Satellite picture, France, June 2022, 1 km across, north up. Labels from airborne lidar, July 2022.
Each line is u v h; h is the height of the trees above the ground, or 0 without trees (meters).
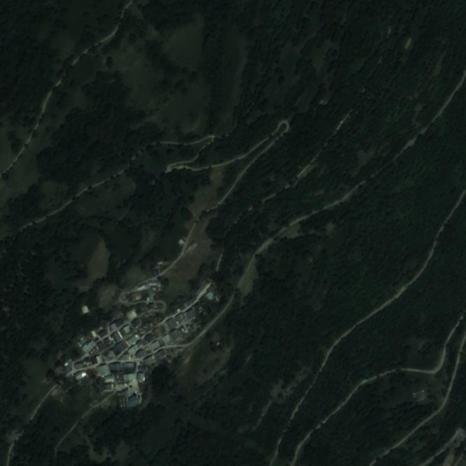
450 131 10
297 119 16
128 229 8
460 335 9
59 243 16
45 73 19
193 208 0
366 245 17
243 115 11
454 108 15
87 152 18
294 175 10
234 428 9
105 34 7
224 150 13
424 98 12
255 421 14
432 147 8
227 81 0
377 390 12
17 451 8
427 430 12
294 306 19
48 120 0
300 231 8
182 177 16
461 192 13
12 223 7
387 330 13
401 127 9
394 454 11
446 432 9
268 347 20
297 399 20
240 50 0
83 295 11
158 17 9
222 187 10
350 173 7
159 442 0
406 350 15
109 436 21
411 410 13
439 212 12
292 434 19
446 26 12
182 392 0
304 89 16
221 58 9
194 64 0
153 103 0
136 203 16
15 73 7
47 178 7
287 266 0
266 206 13
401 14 12
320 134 14
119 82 7
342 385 16
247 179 12
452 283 14
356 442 14
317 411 19
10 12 16
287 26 17
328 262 12
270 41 14
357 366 10
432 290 16
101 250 0
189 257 0
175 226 20
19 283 23
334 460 17
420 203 13
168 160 0
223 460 18
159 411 16
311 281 12
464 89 14
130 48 0
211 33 9
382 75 9
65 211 9
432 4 9
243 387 8
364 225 9
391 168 11
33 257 24
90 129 18
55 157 19
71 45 0
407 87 12
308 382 16
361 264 10
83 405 0
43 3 9
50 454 19
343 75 19
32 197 21
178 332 0
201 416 13
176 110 0
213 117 11
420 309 8
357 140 10
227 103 0
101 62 0
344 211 10
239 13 8
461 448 13
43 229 10
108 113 17
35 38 7
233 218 8
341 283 9
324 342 13
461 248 13
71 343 14
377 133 14
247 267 0
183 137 8
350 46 19
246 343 10
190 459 16
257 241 17
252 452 10
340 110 14
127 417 11
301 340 14
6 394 12
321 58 0
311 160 8
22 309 20
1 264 8
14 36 21
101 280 11
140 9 10
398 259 14
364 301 11
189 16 16
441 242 19
